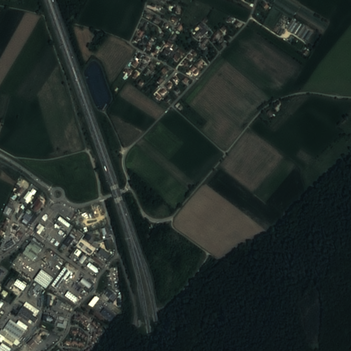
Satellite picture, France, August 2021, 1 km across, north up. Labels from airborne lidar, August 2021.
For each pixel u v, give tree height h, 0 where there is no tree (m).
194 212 0
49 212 0
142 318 0
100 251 0
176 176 0
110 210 11
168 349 21
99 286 0
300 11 0
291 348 23
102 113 0
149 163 0
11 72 0
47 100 0
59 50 0
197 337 24
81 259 0
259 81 0
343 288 16
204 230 0
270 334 18
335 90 0
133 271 0
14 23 0
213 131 0
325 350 14
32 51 0
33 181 0
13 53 0
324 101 0
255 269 20
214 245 0
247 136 0
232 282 25
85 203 0
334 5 0
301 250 20
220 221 0
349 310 18
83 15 0
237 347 21
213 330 24
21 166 0
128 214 0
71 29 11
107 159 0
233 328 21
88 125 0
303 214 22
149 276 0
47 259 0
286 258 16
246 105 0
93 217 0
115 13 0
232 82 0
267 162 0
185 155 0
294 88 0
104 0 0
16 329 0
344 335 19
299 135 0
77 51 11
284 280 24
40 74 0
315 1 0
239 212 0
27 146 0
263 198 0
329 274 17
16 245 0
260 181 0
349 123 0
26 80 0
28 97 0
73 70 0
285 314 20
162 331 7
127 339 17
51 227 0
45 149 0
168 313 16
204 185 0
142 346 18
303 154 0
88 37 0
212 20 0
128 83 0
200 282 16
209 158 0
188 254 6
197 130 0
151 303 0
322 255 20
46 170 0
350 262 15
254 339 17
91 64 0
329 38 0
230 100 0
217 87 0
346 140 0
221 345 22
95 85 0
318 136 0
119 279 11
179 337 22
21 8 0
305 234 18
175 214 0
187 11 0
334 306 15
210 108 0
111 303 0
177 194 0
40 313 0
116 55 0
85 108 0
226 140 0
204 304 19
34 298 0
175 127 0
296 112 0
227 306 21
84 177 0
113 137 0
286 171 0
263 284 20
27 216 0
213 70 0
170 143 0
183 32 6
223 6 0
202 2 0
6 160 0
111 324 15
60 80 0
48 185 0
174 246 8
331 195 20
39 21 0
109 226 0
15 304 0
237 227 0
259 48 0
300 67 0
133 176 9
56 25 0
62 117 0
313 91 0
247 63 0
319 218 16
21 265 0
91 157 0
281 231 21
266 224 0
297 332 19
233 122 0
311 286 8
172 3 12
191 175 0
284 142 0
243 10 0
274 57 0
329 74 0
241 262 14
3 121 9
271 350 21
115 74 0
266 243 24
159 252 6
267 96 0
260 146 0
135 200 12
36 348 0
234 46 0
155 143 0
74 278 0
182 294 16
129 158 0
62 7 12
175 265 11
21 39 0
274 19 0
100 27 0
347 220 18
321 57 0
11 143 0
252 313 21
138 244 0
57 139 0
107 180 0
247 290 24
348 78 0
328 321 13
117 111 0
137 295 0
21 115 0
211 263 11
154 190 7
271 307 26
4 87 0
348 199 23
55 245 0
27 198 0
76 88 0
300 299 14
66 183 0
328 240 21
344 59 0
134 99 0
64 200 0
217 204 0
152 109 0
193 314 17
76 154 0
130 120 0
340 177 15
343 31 0
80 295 0
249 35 0
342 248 14
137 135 0
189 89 0
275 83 0
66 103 0
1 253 0
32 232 0
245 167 0
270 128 0
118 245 11
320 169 0
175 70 0
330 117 0
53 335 0
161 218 0
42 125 0
